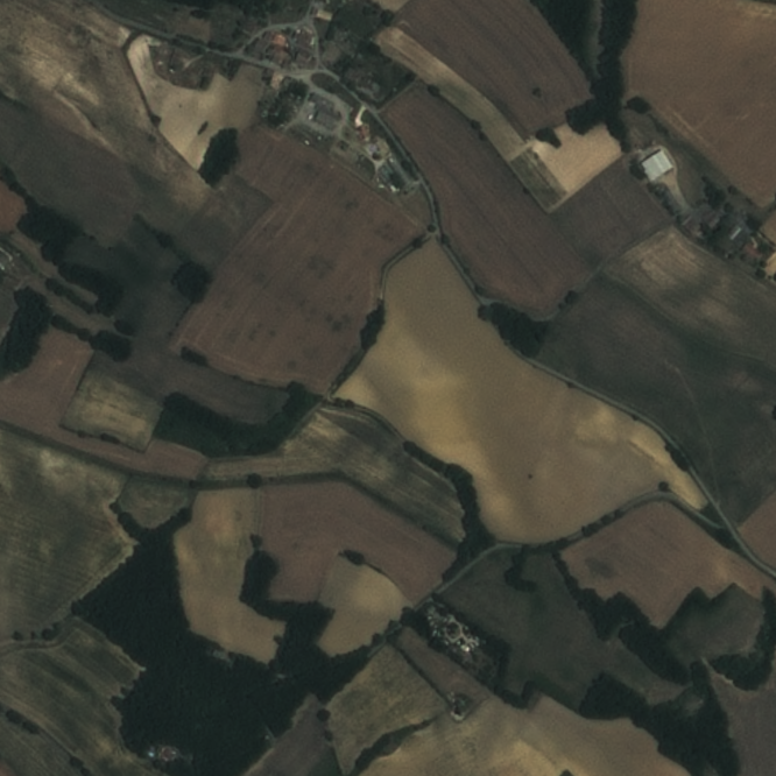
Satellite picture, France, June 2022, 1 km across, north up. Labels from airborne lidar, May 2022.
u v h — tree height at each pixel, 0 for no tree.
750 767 0
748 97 0
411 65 0
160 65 0
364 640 0
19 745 0
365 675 0
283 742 0
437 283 0
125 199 0
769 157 0
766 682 14
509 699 14
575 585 14
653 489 0
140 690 15
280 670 14
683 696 7
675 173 0
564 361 0
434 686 6
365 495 0
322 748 0
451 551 0
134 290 0
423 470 0
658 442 0
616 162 0
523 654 0
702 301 0
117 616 15
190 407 16
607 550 0
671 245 0
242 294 0
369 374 0
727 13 0
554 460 0
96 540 0
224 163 13
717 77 0
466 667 7
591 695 13
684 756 11
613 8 18
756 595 0
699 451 0
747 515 0
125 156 0
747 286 0
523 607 0
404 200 0
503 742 0
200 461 0
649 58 0
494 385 0
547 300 0
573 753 0
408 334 0
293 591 0
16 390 0
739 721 0
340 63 8
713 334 0
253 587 16
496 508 0
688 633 0
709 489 0
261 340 0
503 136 0
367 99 9
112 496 0
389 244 0
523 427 0
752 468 0
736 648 0
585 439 0
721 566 0
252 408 0
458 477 16
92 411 0
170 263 0
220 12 0
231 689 16
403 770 0
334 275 0
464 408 0
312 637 19
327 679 18
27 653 0
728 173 0
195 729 17
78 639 0
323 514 0
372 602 0
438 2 0
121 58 0
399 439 0
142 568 16
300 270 0
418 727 10
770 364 0
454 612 11
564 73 0
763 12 0
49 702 0
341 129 0
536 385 0
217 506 0
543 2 14
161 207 0
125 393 0
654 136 0
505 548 0
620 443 0
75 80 0
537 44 0
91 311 11
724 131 0
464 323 0
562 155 0
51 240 18
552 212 0
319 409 0
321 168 0
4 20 0
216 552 0
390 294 0
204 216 0
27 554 0
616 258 0
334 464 0
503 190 0
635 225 0
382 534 0
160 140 0
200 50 14
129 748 14
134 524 17
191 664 16
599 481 0
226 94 0
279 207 0
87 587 0
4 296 0
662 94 0
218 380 0
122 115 0
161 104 0
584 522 0
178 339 0
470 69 0
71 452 0
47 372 0
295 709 15
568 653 0
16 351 13
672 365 0
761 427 0
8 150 0
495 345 0
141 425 0
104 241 0
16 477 0
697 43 0
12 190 9
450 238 12
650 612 0
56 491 0
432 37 0
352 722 0
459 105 0
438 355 0
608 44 19
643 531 0
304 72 0
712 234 13
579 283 0
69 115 0
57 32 0
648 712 13
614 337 0
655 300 0
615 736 0
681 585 0
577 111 16
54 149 0
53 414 0
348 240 0
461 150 0
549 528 0
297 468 0
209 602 0
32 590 0
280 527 0
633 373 0
